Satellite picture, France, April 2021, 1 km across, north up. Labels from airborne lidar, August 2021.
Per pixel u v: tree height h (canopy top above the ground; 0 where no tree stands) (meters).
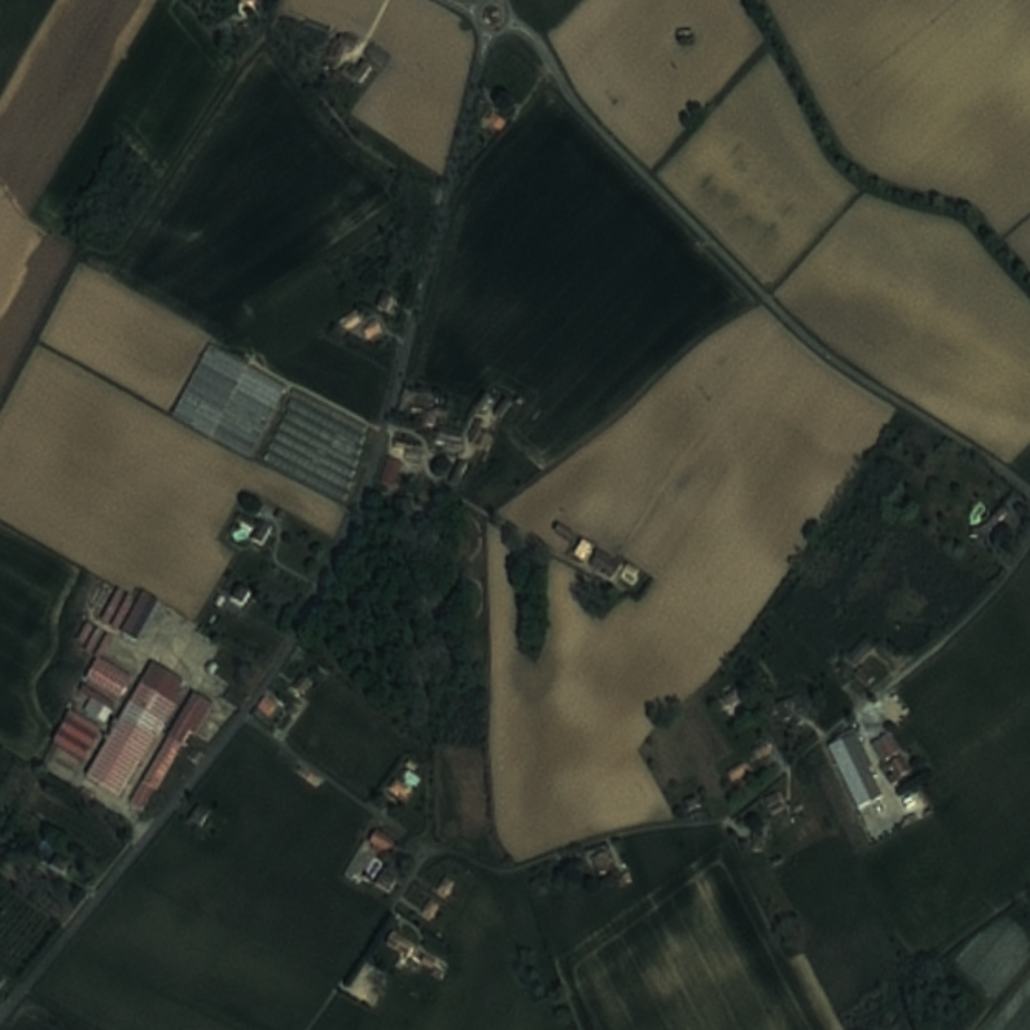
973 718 0
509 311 0
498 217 0
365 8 0
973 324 0
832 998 0
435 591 22
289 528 0
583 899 0
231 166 0
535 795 0
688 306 0
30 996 0
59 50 0
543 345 0
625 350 0
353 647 20
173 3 0
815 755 0
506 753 0
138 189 14
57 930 8
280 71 0
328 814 0
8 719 0
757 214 0
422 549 20
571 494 0
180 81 0
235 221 0
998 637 0
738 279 0
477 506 0
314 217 0
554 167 0
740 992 0
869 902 0
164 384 0
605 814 0
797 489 0
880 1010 9
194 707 0
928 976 23
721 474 0
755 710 8
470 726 16
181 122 0
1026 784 0
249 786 0
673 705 14
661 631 0
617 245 0
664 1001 0
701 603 0
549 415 0
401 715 9
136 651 0
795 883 0
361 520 19
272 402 0
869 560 8
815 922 0
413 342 0
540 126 0
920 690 0
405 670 22
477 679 21
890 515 13
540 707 0
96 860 13
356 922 0
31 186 0
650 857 0
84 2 0
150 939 0
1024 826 0
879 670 0
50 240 0
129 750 0
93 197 11
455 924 0
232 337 0
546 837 0
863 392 0
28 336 0
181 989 0
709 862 0
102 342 0
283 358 0
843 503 14
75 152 0
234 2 11
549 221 0
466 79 0
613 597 21
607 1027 0
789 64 11
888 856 0
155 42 0
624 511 0
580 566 0
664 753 0
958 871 0
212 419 0
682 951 0
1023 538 14
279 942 0
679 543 0
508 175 0
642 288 0
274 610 11
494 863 0
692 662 0
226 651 0
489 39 0
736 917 0
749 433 0
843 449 0
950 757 0
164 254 0
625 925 0
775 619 0
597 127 0
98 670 0
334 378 0
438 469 13
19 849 12
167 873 0
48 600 0
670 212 0
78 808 7
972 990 10
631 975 0
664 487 0
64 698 0
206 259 0
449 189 11
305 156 0
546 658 0
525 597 9
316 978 0
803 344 0
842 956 0
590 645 0
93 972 0
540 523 0
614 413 0
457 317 0
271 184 0
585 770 0
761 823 8
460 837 0
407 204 16
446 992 0
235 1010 0
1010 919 0
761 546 0
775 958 0
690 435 0
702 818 0
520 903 0
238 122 0
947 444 9
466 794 0
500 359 0
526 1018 0
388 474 0
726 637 0
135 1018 0
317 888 0
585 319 0
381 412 0
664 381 0
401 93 0
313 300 0
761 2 12
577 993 0
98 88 0
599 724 0
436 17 0
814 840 0
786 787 0
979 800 0
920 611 0
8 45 0
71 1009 0
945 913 0
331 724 0
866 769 0
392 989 0
